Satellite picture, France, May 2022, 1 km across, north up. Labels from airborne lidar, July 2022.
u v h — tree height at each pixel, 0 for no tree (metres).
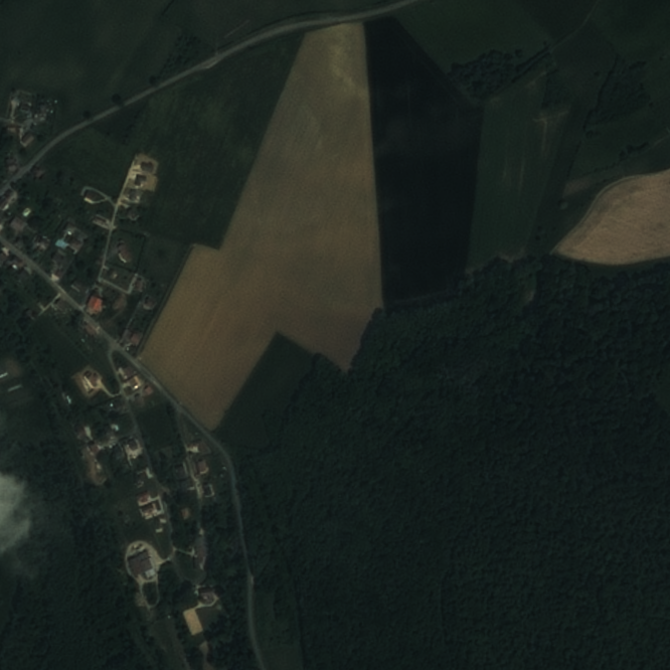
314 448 16
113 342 0
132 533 0
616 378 17
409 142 0
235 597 15
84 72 0
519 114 0
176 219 0
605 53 0
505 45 0
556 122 0
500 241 0
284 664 0
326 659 17
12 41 0
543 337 28
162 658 21
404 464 21
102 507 15
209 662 15
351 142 0
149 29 0
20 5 0
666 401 0
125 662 24
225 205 0
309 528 16
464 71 14
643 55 0
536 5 0
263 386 0
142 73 0
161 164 0
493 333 16
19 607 24
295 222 0
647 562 13
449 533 14
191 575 0
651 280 13
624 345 24
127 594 7
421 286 0
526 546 8
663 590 14
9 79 0
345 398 16
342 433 19
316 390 17
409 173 0
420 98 0
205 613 0
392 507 16
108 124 0
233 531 13
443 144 0
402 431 20
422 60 0
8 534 12
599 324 24
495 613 12
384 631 15
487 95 13
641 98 11
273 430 10
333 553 16
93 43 0
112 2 0
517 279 18
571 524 16
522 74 6
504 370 18
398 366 14
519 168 0
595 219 0
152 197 0
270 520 16
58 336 0
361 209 0
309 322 0
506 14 0
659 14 0
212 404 0
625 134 0
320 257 0
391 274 0
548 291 19
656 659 9
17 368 0
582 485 18
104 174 0
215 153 0
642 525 11
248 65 0
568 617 9
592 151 0
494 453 18
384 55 0
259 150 0
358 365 14
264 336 0
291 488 10
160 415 0
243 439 0
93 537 32
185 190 0
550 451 16
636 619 14
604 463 20
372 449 16
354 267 0
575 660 13
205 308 0
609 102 9
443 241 0
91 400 0
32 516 12
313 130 0
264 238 0
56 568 25
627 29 0
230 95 0
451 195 0
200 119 0
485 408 17
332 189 0
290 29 0
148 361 0
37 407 0
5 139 13
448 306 20
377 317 17
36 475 18
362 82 0
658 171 0
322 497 18
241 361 0
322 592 21
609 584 18
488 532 11
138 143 0
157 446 0
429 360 20
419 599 13
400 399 17
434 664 13
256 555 20
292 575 15
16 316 16
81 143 0
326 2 0
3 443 18
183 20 0
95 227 6
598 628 15
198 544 0
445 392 20
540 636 12
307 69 0
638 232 0
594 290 24
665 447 24
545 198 0
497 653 13
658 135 0
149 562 0
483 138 0
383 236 0
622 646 7
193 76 0
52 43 0
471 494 14
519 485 13
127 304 0
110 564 28
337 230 0
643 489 17
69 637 24
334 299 0
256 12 0
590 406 20
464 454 18
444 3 0
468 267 0
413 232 0
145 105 0
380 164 0
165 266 0
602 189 0
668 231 0
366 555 19
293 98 0
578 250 0
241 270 0
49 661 21
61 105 0
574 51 0
